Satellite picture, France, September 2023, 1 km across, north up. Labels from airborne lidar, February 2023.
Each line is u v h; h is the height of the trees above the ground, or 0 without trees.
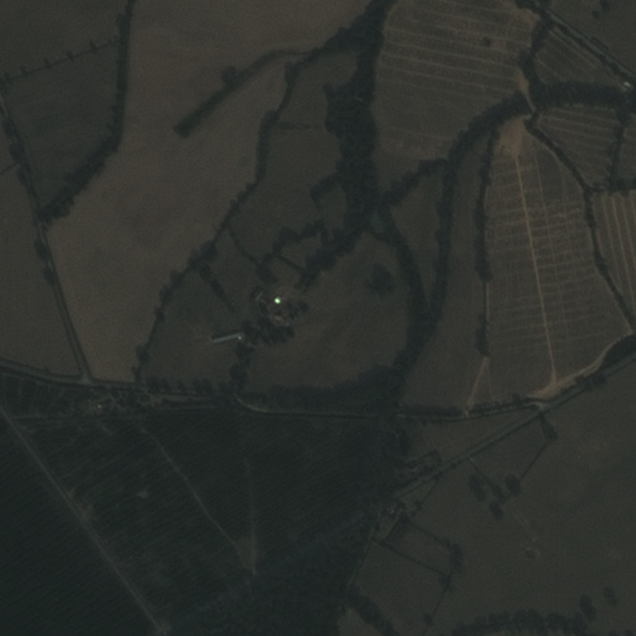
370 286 17
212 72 0
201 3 0
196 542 0
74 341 0
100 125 0
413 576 0
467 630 14
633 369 0
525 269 0
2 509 6
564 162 13
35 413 0
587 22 0
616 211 0
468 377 0
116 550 0
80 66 0
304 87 0
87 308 0
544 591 0
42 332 0
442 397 0
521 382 0
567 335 0
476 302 0
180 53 0
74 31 0
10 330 0
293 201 0
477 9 0
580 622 18
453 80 0
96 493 0
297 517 0
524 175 0
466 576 0
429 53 0
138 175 0
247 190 9
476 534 0
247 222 0
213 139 0
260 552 0
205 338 0
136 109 0
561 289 0
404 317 0
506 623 19
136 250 0
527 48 0
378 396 6
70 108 0
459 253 0
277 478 0
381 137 0
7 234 0
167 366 0
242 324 0
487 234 0
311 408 14
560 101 18
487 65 0
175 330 0
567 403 0
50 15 0
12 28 0
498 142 0
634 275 0
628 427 0
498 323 0
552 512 0
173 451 0
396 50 0
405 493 0
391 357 0
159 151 0
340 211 0
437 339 0
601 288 0
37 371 0
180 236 0
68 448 0
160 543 0
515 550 0
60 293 0
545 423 15
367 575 0
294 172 0
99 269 0
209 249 13
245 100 0
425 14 0
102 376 0
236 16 0
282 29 0
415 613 0
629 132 0
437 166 10
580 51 0
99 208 0
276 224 0
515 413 0
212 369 0
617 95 16
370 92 16
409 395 0
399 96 0
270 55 0
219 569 0
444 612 0
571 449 0
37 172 0
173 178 0
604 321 0
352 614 0
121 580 0
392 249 0
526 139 0
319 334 0
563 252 0
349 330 0
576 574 0
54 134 0
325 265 15
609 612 0
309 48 0
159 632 0
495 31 0
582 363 0
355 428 0
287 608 25
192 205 0
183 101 0
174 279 15
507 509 0
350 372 0
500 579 0
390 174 0
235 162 0
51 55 0
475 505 0
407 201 0
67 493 0
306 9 0
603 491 0
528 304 0
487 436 0
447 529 0
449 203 18
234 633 25
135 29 0
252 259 8
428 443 0
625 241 0
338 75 0
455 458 0
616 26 0
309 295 0
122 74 11
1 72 0
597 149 0
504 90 0
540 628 21
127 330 0
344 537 33
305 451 0
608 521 0
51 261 0
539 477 0
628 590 0
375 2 13
